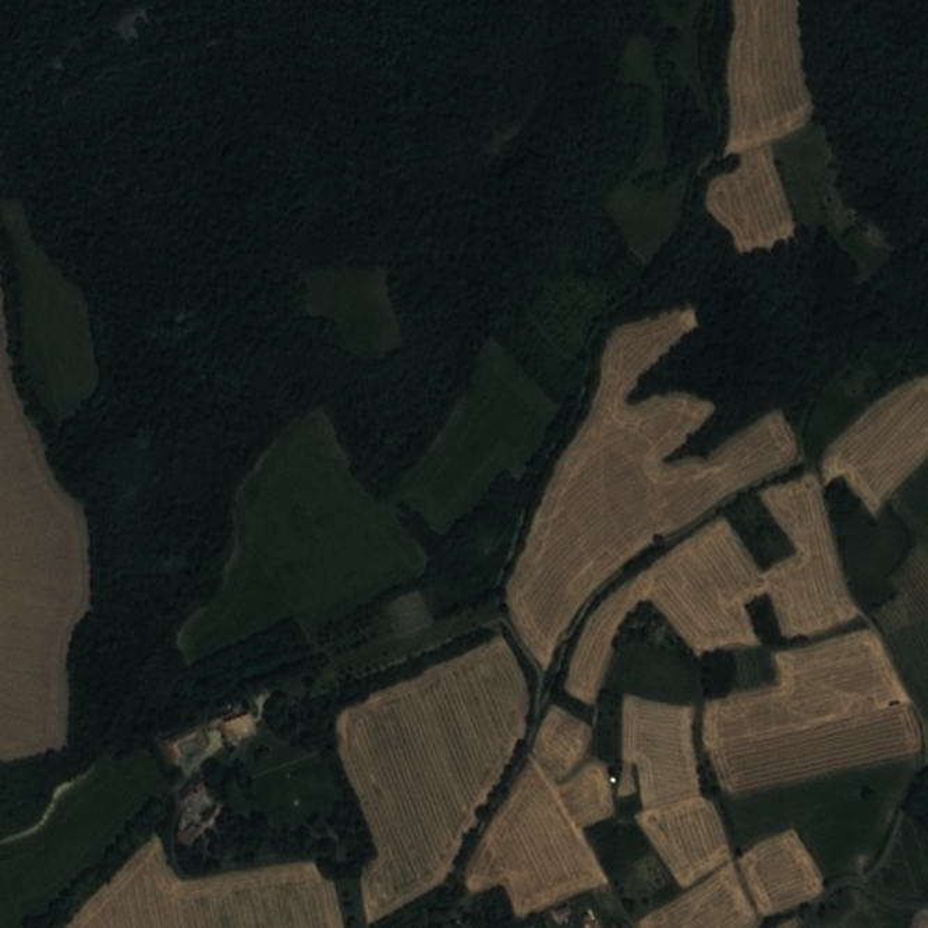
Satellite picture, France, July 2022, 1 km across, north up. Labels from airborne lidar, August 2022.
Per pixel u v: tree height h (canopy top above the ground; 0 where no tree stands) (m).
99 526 7
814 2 13
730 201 0
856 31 19
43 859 0
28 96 16
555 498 0
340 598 0
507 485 10
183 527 13
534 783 0
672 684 0
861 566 0
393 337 0
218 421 10
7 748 0
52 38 19
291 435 0
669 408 0
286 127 10
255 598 0
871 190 19
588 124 17
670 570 0
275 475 0
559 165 22
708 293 13
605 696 11
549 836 0
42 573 0
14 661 0
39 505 0
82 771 8
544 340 6
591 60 15
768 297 16
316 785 0
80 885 16
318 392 11
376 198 11
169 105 9
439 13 19
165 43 6
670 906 0
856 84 22
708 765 8
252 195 18
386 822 0
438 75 8
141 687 10
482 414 0
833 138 15
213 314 16
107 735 22
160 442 7
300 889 0
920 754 0
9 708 0
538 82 6
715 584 0
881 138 21
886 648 0
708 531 0
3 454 0
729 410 10
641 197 0
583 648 0
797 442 0
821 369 14
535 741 0
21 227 0
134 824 12
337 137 9
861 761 0
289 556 0
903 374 11
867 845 0
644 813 0
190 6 14
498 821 0
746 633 0
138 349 14
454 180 15
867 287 18
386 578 0
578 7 18
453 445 0
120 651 11
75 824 0
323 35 9
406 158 12
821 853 0
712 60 12
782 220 0
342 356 13
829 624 0
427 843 0
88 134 14
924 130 9
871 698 0
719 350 16
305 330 11
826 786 0
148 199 9
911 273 20
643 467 0
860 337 10
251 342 18
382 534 0
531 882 0
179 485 6
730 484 0
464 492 0
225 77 10
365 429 14
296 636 7
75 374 0
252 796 10
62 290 0
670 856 0
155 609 10
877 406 0
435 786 0
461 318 19
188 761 0
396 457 8
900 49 20
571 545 0
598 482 0
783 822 0
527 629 0
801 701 0
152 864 0
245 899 0
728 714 0
